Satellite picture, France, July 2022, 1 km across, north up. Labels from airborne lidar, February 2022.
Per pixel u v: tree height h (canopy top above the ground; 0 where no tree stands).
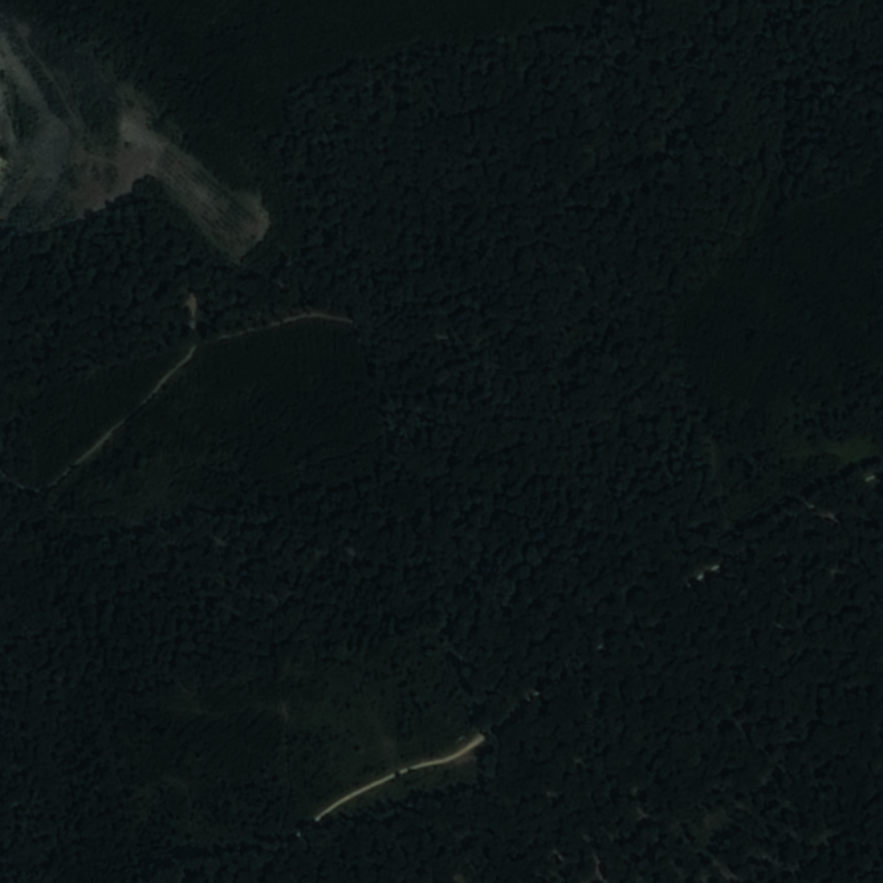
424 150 24
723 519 29
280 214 11
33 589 29
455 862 26
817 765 30
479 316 16
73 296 30
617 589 27
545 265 23
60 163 0
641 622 28
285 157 17
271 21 15
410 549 28
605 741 24
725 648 30
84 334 25
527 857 24
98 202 0
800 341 14
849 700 30
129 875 13
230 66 12
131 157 0
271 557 26
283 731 7
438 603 28
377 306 24
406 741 7
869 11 27
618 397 31
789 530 23
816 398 7
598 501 30
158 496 0
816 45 25
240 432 7
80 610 13
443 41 10
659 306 27
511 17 13
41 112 0
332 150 25
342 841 27
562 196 22
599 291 26
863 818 25
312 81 11
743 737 29
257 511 20
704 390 9
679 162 23
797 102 27
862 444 0
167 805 6
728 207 23
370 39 10
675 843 30
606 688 26
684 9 26
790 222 9
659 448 29
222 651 25
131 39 12
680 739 27
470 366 25
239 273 10
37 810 14
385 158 21
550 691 27
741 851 29
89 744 17
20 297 26
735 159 22
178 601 30
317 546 25
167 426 11
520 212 25
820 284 8
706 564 16
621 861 27
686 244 17
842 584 27
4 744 21
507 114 25
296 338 6
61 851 19
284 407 6
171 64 15
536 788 24
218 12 10
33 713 26
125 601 29
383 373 21
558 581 29
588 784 25
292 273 29
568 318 29
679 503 29
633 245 23
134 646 26
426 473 29
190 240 10
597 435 32
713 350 8
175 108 11
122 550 28
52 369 28
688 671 24
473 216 25
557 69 27
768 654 28
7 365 31
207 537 12
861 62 29
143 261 24
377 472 8
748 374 7
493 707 24
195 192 0
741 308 10
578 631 24
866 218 10
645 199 29
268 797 9
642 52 27
